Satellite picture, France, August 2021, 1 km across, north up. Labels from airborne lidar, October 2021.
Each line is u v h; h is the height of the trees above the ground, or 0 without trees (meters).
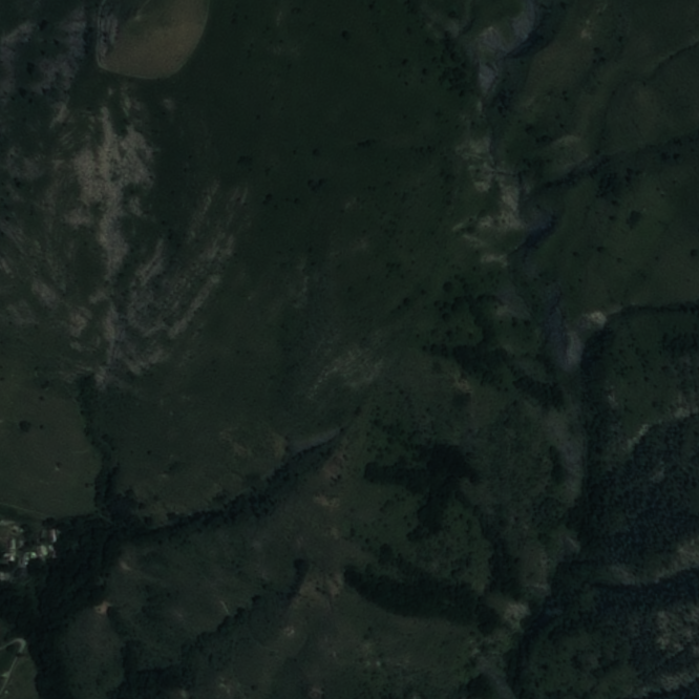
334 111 0
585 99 0
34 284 0
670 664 12
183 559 0
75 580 28
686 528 11
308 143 0
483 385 8
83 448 0
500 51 0
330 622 0
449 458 21
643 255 0
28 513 0
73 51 0
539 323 7
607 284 0
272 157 0
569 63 0
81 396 7
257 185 0
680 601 12
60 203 0
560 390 10
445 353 9
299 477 7
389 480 14
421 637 0
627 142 0
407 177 0
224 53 0
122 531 15
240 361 0
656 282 0
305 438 0
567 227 0
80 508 0
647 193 0
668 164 13
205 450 0
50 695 25
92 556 29
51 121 0
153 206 0
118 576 0
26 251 0
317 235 0
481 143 0
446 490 19
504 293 0
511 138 0
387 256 0
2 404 0
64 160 0
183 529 9
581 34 0
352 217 0
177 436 0
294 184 0
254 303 0
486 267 0
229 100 0
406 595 26
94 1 0
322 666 0
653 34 0
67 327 0
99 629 0
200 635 9
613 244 0
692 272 0
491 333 14
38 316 0
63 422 0
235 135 0
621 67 0
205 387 0
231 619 16
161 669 8
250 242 0
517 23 0
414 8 7
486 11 0
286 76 0
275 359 0
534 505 7
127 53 0
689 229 0
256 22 0
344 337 0
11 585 9
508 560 9
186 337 0
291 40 0
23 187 11
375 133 0
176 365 0
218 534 0
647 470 10
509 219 0
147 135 0
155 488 0
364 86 0
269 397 0
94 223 0
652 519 14
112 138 0
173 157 0
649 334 0
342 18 0
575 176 6
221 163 0
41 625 10
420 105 0
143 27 0
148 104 0
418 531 10
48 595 21
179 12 0
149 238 0
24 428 15
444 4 0
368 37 0
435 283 0
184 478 0
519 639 7
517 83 0
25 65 0
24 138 0
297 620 0
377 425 11
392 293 0
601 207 0
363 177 0
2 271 0
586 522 12
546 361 9
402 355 0
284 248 0
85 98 0
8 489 0
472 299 14
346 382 0
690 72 0
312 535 0
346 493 0
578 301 0
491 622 19
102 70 0
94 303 0
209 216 0
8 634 7
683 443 9
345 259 0
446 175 6
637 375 0
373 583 18
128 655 19
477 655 8
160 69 0
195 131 0
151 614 16
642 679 9
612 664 8
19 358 0
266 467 0
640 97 0
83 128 0
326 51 0
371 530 0
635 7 0
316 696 0
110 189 0
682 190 0
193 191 0
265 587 12
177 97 0
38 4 0
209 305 0
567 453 0
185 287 0
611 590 8
